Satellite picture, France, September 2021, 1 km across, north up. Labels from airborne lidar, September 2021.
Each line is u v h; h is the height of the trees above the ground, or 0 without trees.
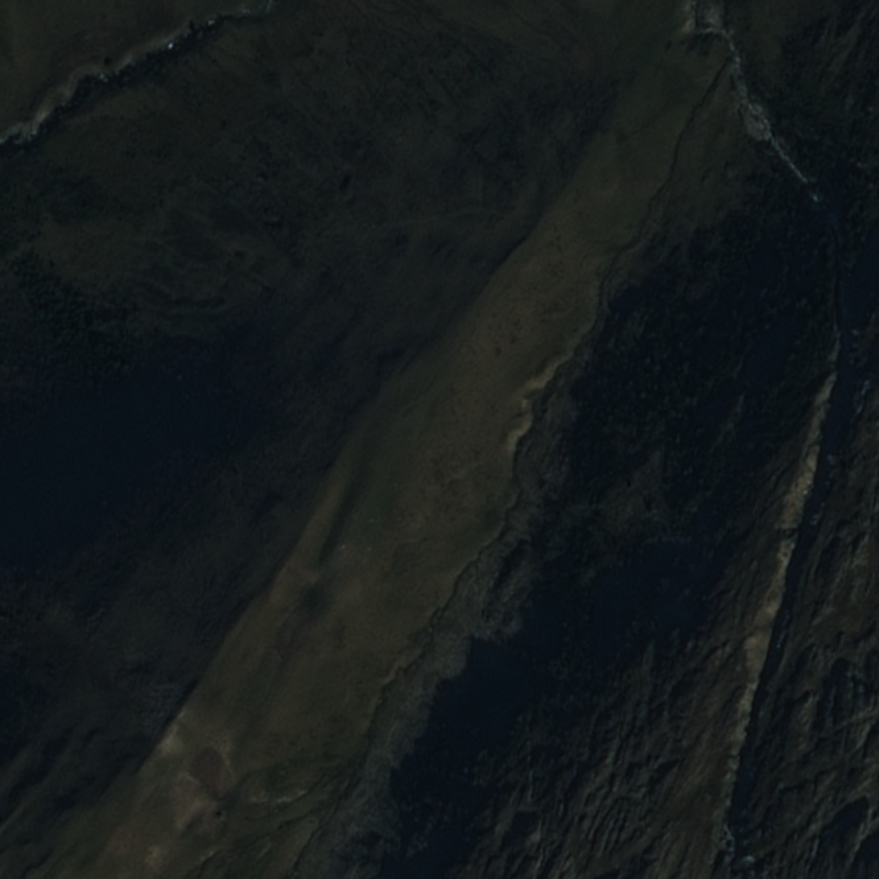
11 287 0
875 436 0
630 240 0
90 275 0
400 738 0
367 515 0
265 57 0
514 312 0
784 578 0
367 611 0
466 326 0
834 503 0
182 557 0
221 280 0
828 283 5
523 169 0
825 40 0
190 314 0
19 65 0
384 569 0
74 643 0
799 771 0
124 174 0
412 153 0
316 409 0
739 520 0
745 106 0
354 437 0
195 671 0
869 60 0
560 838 0
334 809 0
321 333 0
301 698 0
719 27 0
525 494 0
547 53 0
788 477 0
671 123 0
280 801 0
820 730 0
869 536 0
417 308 0
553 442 0
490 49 0
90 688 0
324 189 0
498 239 0
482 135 0
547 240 0
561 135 0
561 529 0
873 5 0
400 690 0
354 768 0
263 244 0
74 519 6
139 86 0
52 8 0
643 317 0
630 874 0
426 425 0
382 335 0
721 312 6
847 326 0
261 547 0
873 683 0
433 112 0
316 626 0
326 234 0
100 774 0
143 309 0
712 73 0
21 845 0
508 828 0
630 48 0
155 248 0
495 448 0
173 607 0
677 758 0
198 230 0
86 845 0
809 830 0
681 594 0
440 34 0
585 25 0
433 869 0
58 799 0
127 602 0
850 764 0
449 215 0
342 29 0
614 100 0
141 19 0
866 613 0
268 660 0
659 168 0
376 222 0
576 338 0
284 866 0
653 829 0
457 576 0
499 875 0
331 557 0
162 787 0
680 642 0
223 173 0
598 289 0
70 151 0
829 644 0
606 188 0
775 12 0
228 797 0
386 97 0
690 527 0
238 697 0
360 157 0
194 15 0
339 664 0
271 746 0
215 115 0
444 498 0
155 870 0
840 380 0
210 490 0
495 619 0
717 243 0
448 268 0
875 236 0
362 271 0
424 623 0
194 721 0
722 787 0
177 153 0
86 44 0
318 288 0
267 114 0
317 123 0
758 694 0
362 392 0
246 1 0
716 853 0
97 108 0
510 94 0
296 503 0
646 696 0
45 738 0
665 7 0
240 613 0
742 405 0
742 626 0
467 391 0
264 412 0
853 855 0
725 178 0
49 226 0
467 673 0
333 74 0
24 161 0
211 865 0
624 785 0
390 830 0
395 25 0
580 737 0
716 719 0
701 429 6
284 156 0
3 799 0
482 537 0
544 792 0
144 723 0
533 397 0
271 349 0
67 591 0
